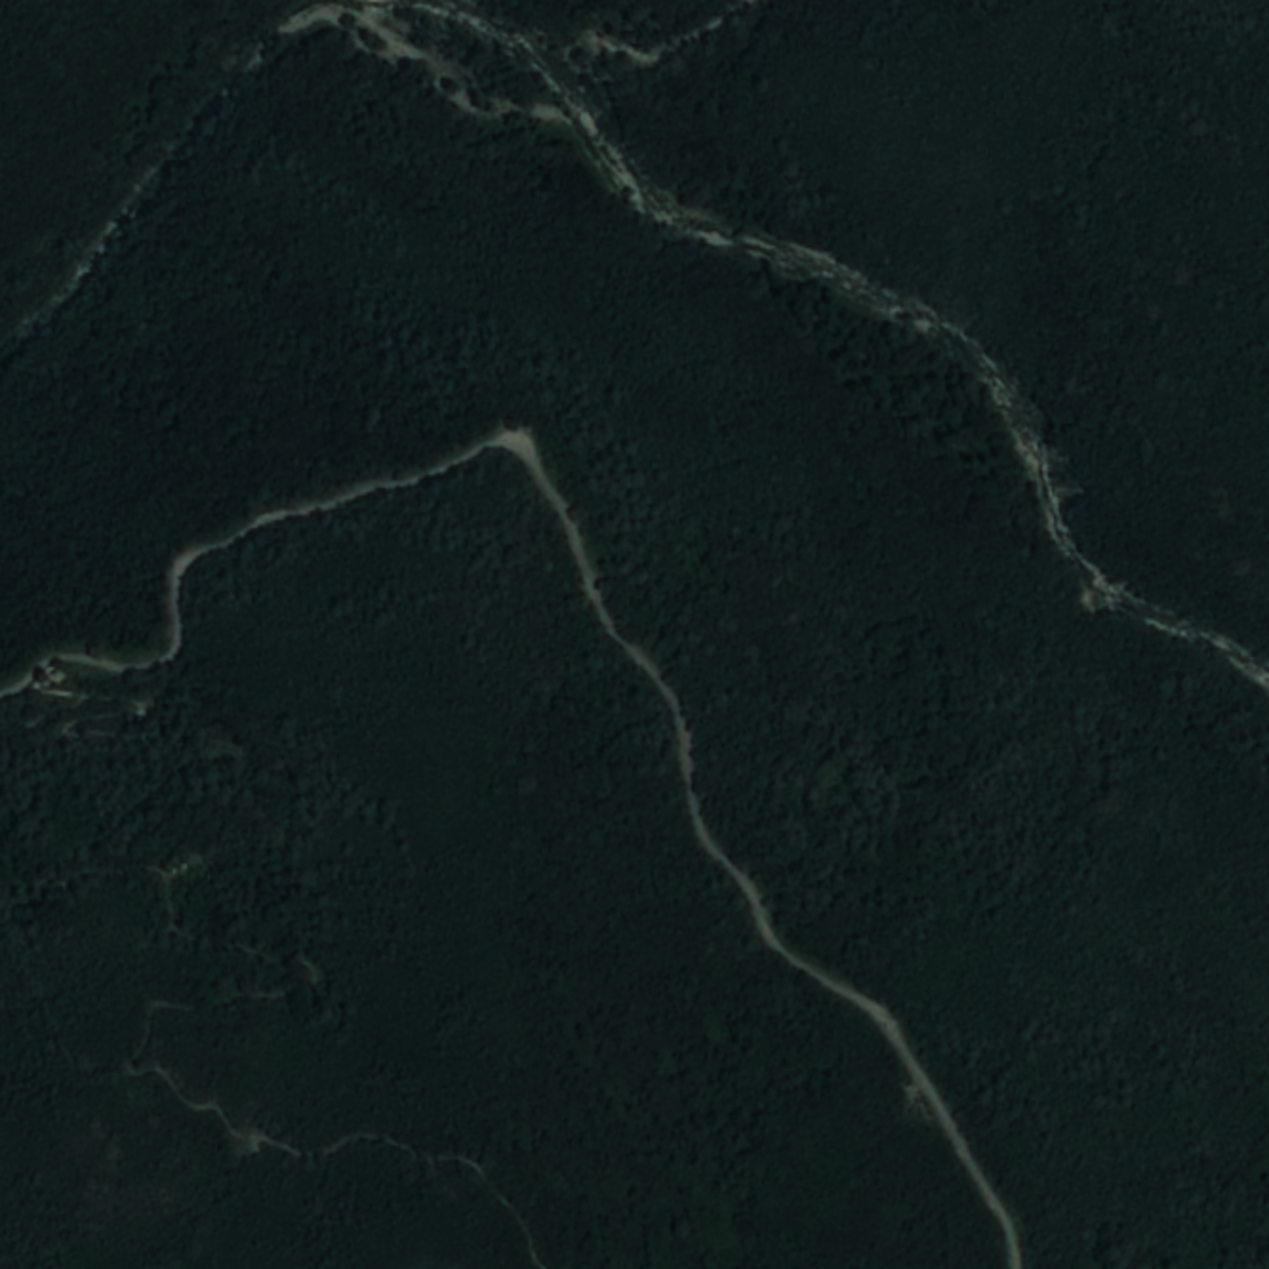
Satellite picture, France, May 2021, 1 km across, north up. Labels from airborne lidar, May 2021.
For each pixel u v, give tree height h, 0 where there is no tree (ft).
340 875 33
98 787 22
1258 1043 32
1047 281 52
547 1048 25
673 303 38
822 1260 26
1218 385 30
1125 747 23
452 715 19
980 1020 41
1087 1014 31
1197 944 38
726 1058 33
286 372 43
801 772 49
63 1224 33
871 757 55
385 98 42
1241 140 22
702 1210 18
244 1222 22
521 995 20
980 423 60
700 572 24
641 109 50
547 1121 41
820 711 59
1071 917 34
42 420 52
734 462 25
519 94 46
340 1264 20
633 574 60
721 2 37
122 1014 22
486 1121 25
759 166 53
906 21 55
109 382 50
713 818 49
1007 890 35
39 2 38
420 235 40
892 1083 22
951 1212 20
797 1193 20
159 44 63
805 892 67
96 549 49
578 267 44
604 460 71
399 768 23
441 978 19
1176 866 38
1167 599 51
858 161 29
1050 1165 39
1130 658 41
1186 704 55
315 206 34
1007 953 31
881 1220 25
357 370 53
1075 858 47
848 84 22
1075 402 67
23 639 31
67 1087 25
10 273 47
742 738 49
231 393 59
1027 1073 32
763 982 50
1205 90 29
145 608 36
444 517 56
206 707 53
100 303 40
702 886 21
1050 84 29
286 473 61
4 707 36
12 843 35
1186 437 41
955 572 52
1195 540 26
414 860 29
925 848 56
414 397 42
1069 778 42
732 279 63
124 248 41
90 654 30
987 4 58
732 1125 33
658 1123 29
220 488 61
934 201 24
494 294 43
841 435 69
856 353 59
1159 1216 44
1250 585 35
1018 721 69
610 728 27
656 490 35
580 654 25
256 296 44
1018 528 43
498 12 55
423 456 57
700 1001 32
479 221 67
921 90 23
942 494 67
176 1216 22
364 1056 24
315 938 44
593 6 69
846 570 49
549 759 28
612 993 23
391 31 0
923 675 35
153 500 42
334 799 63
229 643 26
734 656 47
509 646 43
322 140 47
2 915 60
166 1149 25
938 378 54
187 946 33
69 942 49
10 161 54
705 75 45
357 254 28
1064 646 30
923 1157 26
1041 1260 30
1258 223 29
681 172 44
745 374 43
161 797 30
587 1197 42
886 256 37
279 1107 24
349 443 59
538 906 20
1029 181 36
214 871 35
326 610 28
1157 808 28
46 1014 47
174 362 53
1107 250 36
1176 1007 48
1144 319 60
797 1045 27
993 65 25
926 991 31
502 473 31
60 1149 24
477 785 26
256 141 35
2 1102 34
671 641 43
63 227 33
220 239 54
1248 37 37
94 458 33
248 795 55
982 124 19
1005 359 46
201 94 61
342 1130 18
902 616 31
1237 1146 42
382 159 56
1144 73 21
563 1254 20
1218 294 42
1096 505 42
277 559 36
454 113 60
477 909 21
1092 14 50
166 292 32
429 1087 20
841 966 36
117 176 47
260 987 26
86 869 23
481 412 35
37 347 55
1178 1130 31
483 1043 19
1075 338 61
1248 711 49
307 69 67
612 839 32
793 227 35
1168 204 30
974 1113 38
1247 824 43
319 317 54
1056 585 40
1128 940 36
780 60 39
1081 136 43
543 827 32
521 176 65
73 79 53
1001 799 59
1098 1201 25
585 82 33
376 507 38
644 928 21
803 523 36
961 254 22
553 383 41
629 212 68
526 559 39
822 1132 20
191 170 67
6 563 44
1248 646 49
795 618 53
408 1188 20
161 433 49
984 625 42
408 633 40
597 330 43
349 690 41
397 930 43
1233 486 48
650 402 51
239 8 52
